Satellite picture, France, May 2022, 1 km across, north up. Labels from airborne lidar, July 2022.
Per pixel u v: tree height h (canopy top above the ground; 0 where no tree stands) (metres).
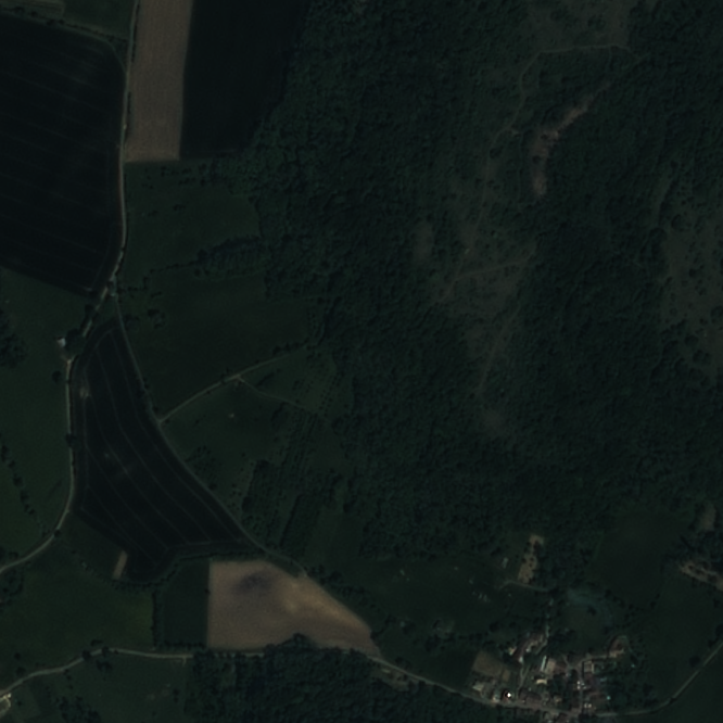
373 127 11
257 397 0
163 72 0
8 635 0
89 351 0
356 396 18
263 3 0
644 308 11
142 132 0
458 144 11
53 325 0
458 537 20
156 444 0
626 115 10
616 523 15
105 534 0
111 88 0
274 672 22
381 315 9
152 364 0
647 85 15
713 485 23
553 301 23
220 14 0
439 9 17
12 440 0
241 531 0
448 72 7
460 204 0
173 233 0
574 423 6
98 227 0
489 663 0
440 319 11
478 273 0
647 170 9
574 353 17
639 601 0
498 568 0
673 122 14
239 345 0
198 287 0
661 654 0
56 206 0
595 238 20
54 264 0
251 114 0
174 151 0
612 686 8
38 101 0
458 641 9
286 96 15
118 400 0
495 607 0
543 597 10
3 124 0
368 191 10
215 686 14
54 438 0
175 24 0
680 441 18
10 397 0
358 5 17
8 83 0
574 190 18
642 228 11
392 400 25
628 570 0
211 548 0
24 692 0
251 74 0
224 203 0
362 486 16
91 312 15
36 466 0
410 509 18
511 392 7
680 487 24
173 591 0
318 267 9
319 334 7
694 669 14
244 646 0
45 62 0
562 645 20
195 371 0
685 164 7
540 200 12
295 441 8
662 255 14
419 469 19
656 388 19
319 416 7
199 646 8
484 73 5
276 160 21
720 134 10
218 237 0
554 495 17
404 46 20
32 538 0
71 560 0
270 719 19
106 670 18
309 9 13
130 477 0
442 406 15
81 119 0
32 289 0
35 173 0
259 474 9
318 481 8
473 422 7
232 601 0
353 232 13
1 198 0
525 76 6
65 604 0
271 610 0
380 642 14
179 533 0
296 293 15
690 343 12
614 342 15
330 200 21
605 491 20
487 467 18
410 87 18
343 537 0
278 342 0
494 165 0
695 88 16
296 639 7
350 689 22
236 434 0
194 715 9
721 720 0
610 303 10
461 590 0
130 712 0
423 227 0
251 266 15
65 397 0
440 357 15
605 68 10
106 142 0
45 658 0
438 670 0
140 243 0
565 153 15
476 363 6
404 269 15
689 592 0
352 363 23
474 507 22
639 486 26
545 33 0
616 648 0
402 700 21
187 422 0
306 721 20
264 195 22
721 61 9
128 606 0
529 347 6
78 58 0
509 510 18
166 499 0
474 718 20
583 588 23
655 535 0
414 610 0
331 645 0
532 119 8
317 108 19
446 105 15
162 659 0
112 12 0
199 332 0
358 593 16
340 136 18
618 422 22
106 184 0
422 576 0
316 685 23
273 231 17
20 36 0
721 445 24
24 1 0
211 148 0
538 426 13
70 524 0
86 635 0
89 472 0
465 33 12
